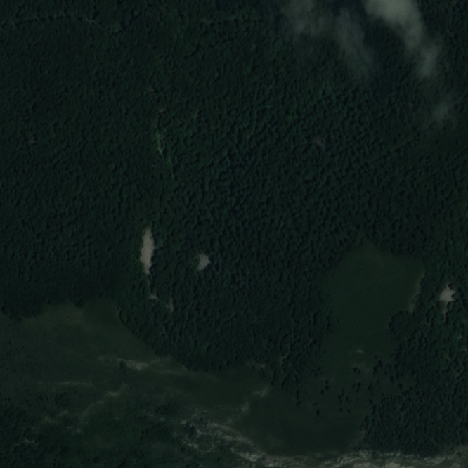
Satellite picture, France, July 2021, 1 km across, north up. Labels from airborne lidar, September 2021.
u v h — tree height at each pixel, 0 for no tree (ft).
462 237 27
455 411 39
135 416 20
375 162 36
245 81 90
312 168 69
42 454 47
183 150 80
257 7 89
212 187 75
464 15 64
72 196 69
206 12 81
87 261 63
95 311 0
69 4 97
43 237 75
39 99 74
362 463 0
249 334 66
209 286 67
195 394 0
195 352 53
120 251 72
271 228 53
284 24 86
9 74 90
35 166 70
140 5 94
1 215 86
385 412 40
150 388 0
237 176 62
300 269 65
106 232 74
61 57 91
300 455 0
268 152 76
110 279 64
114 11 79
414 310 31
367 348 0
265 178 78
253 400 0
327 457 0
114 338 0
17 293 62
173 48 80
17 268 65
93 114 87
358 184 35
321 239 66
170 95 78
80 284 60
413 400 57
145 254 0
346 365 0
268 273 50
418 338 41
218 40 62
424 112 27
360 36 84
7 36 97
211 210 48
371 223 76
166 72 87
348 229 69
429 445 31
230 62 90
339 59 92
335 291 0
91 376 0
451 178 29
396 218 65
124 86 81
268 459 0
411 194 18
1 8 99
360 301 0
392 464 0
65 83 85
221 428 0
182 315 63
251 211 52
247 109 64
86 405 0
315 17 79
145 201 73
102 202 63
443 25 70
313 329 63
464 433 64
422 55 80
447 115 65
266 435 0
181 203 65
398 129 29
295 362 54
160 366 0
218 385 0
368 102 75
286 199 57
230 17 0
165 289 53
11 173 72
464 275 72
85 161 72
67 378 0
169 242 80
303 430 0
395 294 0
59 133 73
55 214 40
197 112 69
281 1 87
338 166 76
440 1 62
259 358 56
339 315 0
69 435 17
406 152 58
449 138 31
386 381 0
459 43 62
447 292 0
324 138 87
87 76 76
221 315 60
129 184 57
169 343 44
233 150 96
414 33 86
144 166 73
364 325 0
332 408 0
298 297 69
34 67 86
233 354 52
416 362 62
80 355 0
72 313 0
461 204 71
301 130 64
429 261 69
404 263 0
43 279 66
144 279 68
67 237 66
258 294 75
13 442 49
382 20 83
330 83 67
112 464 24
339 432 0
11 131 74
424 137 30
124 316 47
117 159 68
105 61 110
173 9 89
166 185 82
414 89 63
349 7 81
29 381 0
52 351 0
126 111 60
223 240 88
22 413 28
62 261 66
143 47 92
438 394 62
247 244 33
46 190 70
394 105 71
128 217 71
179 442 18
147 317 42
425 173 24
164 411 18
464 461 0
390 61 82
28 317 29
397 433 34
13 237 69
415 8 75
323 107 90
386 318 0
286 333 58
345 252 30
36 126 61
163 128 72
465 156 52
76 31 85
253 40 77
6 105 84
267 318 57
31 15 95
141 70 90
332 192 27
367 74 77
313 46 95
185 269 49
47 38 87
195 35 96
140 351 0
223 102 86
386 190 59
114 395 0
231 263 60
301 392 18
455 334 72
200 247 51
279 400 0
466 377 56
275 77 48
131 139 77
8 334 0
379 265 0
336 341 0
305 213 50
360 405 0
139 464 21
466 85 41
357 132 40
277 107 83
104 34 97
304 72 91
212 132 87
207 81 77
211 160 81
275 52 94
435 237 78
